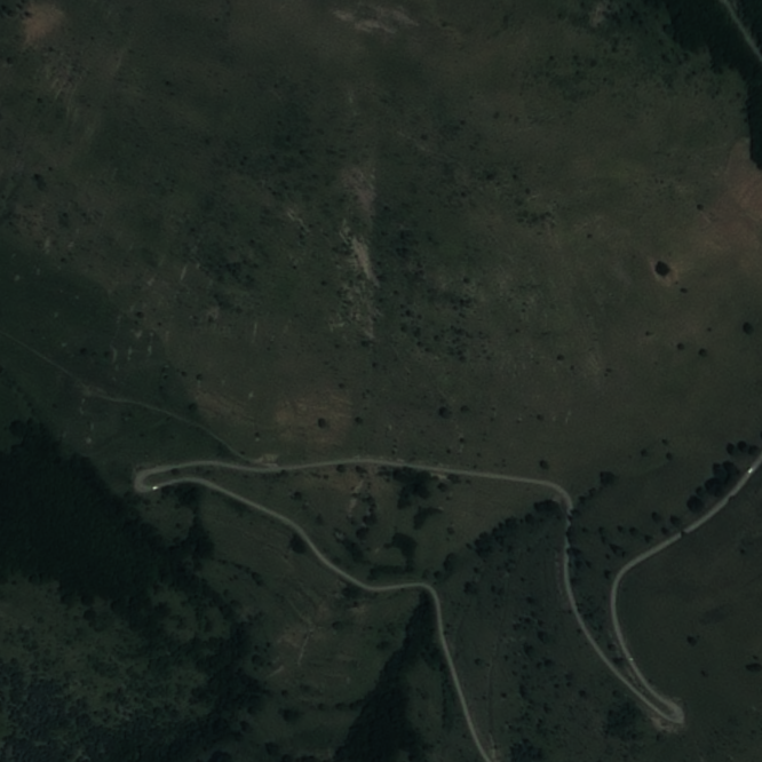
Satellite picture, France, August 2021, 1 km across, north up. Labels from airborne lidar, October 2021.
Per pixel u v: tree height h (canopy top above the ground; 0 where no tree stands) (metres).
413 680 0
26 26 0
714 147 0
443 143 0
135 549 20
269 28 0
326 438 0
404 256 6
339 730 0
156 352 0
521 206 0
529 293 0
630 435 0
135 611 12
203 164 0
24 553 20
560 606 0
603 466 0
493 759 0
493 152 0
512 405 0
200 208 0
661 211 0
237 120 0
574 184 0
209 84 0
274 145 0
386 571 6
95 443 0
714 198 0
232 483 0
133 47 0
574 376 0
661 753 0
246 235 0
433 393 0
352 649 0
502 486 0
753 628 0
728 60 14
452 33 0
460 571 0
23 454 17
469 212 0
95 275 0
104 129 0
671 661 0
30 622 0
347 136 0
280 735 0
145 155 0
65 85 0
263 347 0
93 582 19
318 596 0
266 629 0
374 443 0
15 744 12
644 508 0
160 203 0
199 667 11
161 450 0
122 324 0
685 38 17
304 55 0
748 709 0
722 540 0
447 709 7
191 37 0
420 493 16
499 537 9
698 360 0
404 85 0
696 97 0
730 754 0
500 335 0
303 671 0
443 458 0
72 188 0
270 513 0
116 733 6
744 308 0
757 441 0
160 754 15
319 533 0
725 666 0
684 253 0
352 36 0
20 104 0
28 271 0
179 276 0
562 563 0
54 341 0
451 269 0
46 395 0
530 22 0
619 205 0
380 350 0
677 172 0
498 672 0
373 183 0
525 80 0
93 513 19
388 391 0
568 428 0
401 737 14
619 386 0
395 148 0
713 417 0
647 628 0
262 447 0
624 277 0
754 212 0
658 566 0
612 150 0
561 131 0
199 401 0
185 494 13
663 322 0
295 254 0
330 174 0
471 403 0
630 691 0
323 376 0
